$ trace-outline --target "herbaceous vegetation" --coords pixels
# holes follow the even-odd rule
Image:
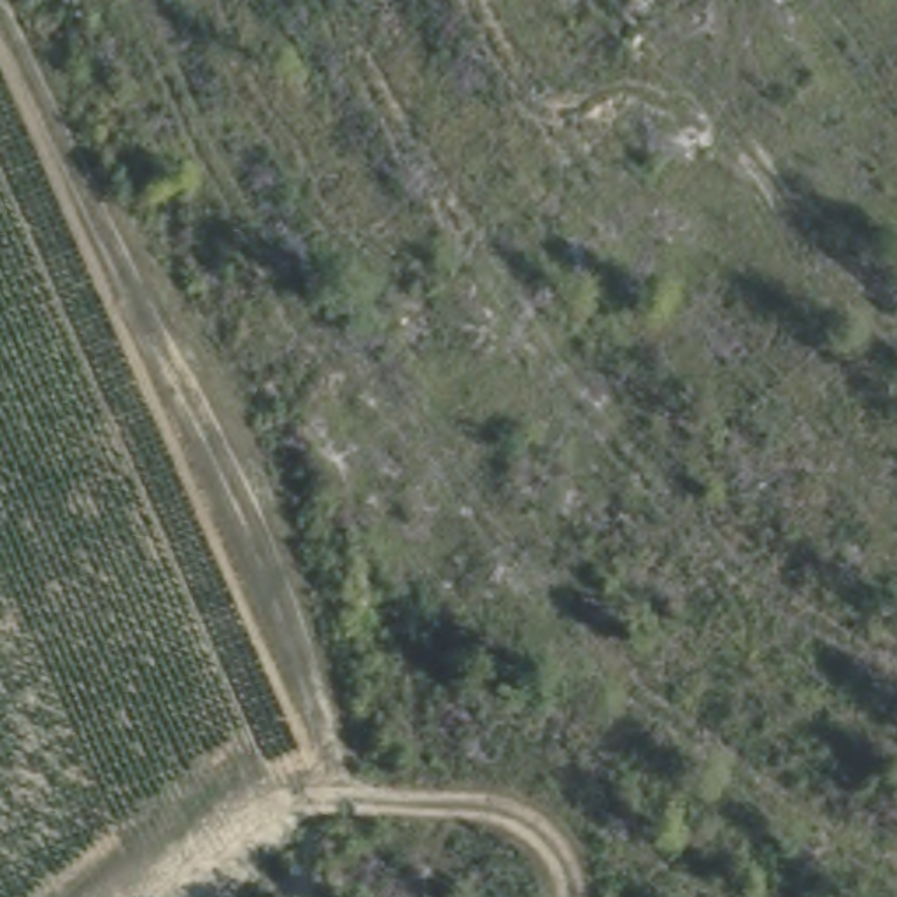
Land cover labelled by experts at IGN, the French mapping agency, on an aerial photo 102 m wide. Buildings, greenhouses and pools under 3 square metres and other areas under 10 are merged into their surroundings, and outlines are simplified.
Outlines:
[[[49,35],[67,18],[84,21],[70,39],[74,67],[49,70],[42,67],[42,56],[49,49]],[[729,277],[729,270],[757,270],[785,284],[788,294],[806,294],[816,305],[837,308],[844,315],[865,305],[865,287],[855,273],[809,249],[781,217],[778,200],[760,200],[750,179],[736,175],[739,154],[746,154],[753,168],[764,172],[771,182],[778,172],[795,172],[813,182],[820,196],[862,207],[872,224],[890,228],[897,221],[897,0],[0,0],[0,74],[28,126],[28,137],[39,151],[63,221],[81,249],[81,259],[116,329],[133,382],[161,431],[161,441],[172,456],[172,466],[207,540],[221,533],[291,697],[301,694],[298,680],[308,680],[308,673],[319,669],[326,673],[322,652],[312,634],[312,620],[301,603],[305,578],[298,575],[284,547],[287,522],[280,519],[277,487],[270,484],[263,470],[266,459],[245,427],[245,399],[238,396],[235,382],[235,375],[245,368],[263,368],[270,361],[298,354],[294,364],[305,371],[312,364],[319,375],[343,371],[343,406],[326,417],[336,449],[350,441],[357,445],[357,456],[347,459],[347,470],[354,473],[354,491],[343,498],[347,512],[340,515],[340,522],[347,526],[350,557],[364,557],[368,571],[382,568],[382,575],[392,582],[399,596],[406,596],[406,582],[427,578],[449,547],[456,547],[459,540],[473,540],[491,564],[512,564],[526,578],[529,592],[519,596],[519,603],[529,613],[526,624],[547,627],[557,617],[550,589],[571,578],[568,571],[550,568],[550,547],[557,529],[568,522],[603,529],[606,498],[624,494],[620,522],[634,536],[638,557],[613,561],[617,571],[610,571],[610,578],[603,582],[606,596],[617,596],[627,582],[638,582],[659,589],[669,599],[669,606],[676,599],[690,606],[690,620],[683,624],[676,641],[655,645],[645,655],[634,648],[631,638],[617,641],[627,662],[641,673],[638,683],[627,683],[620,690],[624,718],[638,718],[655,743],[676,746],[687,757],[687,771],[697,778],[704,778],[715,753],[729,753],[732,767],[722,799],[753,806],[767,820],[774,837],[781,837],[792,823],[809,823],[823,809],[823,802],[809,792],[809,781],[795,781],[792,788],[778,785],[785,771],[806,767],[802,757],[788,757],[767,767],[767,753],[760,750],[778,732],[809,722],[823,708],[830,680],[816,666],[816,641],[858,662],[879,666],[886,676],[897,676],[897,424],[869,427],[862,399],[848,389],[844,375],[834,364],[823,364],[813,347],[802,347],[788,333],[781,333],[778,322],[760,322],[746,308],[746,301],[725,308],[722,280]],[[154,273],[140,273],[133,249],[144,249],[144,235],[137,221],[126,210],[116,210],[112,203],[98,200],[84,186],[84,179],[67,165],[74,147],[95,147],[102,154],[102,165],[116,161],[116,154],[126,147],[144,147],[154,154],[161,182],[182,175],[182,168],[196,161],[196,193],[217,200],[221,217],[242,217],[259,238],[280,238],[298,256],[329,252],[336,259],[340,284],[350,298],[350,326],[322,329],[312,322],[298,294],[270,291],[245,301],[231,343],[210,347],[217,322],[182,305],[165,266],[158,266]],[[585,319],[585,329],[578,333],[585,347],[578,357],[571,357],[568,340],[561,333],[550,333],[550,326],[536,319],[536,308],[554,305],[554,294],[540,287],[543,270],[526,256],[543,238],[564,238],[578,249],[592,249],[596,256],[620,263],[634,277],[652,277],[659,284],[655,301],[617,315],[596,308]],[[610,350],[617,343],[652,343],[659,364],[683,382],[687,399],[697,406],[690,441],[673,438],[666,413],[655,413],[655,441],[641,441],[641,449],[634,449],[617,406],[610,403],[606,378],[592,368],[596,350]],[[512,417],[519,431],[508,441],[508,487],[491,494],[484,487],[480,441],[466,438],[452,424],[456,417],[487,420],[498,413]],[[855,564],[862,578],[879,571],[890,575],[893,596],[886,606],[872,613],[869,631],[848,631],[841,624],[841,599],[823,582],[816,582],[813,571],[802,575],[799,589],[781,582],[785,561],[771,550],[774,519],[785,522],[788,540],[809,540],[809,547],[820,557],[848,557],[848,564]]]
[[[140,799],[137,813],[109,827],[119,837],[116,851],[109,851],[98,865],[91,865],[81,879],[74,879],[63,893],[53,897],[186,897],[193,883],[210,883],[214,872],[228,872],[238,855],[287,841],[294,823],[301,820],[291,809],[291,792],[266,792],[249,802],[242,799],[242,792],[259,785],[270,760],[259,743],[235,753],[221,767],[210,767],[207,757],[196,757],[179,781],[165,785],[151,799]]]

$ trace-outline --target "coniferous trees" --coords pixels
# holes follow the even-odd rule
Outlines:
[[[512,417],[498,413],[487,420],[456,417],[452,424],[466,438],[480,441],[484,487],[491,494],[508,487],[508,441],[519,431]]]
[[[858,662],[816,641],[816,666],[830,680],[823,708],[809,722],[778,732],[760,750],[767,753],[767,767],[788,757],[802,757],[806,767],[785,771],[778,785],[792,788],[795,781],[809,781],[809,792],[823,802],[823,809],[809,823],[792,823],[781,837],[774,837],[767,820],[753,806],[722,799],[732,767],[729,753],[715,753],[704,778],[697,778],[687,771],[687,757],[676,746],[655,743],[638,718],[624,718],[620,690],[627,683],[638,683],[641,673],[627,662],[617,641],[631,638],[634,648],[645,655],[655,645],[676,641],[683,624],[690,620],[690,606],[676,599],[669,606],[669,599],[659,589],[638,582],[627,582],[617,596],[606,596],[603,582],[610,578],[610,571],[617,571],[613,561],[638,557],[634,536],[620,522],[624,494],[606,498],[603,529],[568,522],[557,529],[550,547],[550,568],[568,571],[571,578],[550,589],[557,617],[547,627],[526,624],[529,613],[519,603],[519,596],[529,592],[526,578],[512,564],[491,564],[473,540],[459,540],[456,547],[449,547],[427,578],[406,582],[406,596],[399,596],[392,582],[382,575],[382,568],[368,571],[364,557],[350,557],[347,526],[340,522],[340,515],[347,512],[343,498],[354,491],[354,473],[347,470],[347,459],[357,456],[357,445],[350,441],[336,449],[326,417],[343,406],[343,371],[319,375],[312,364],[305,371],[294,364],[298,354],[270,361],[263,368],[245,368],[235,375],[235,382],[238,396],[245,399],[245,427],[266,459],[263,470],[270,484],[277,487],[280,519],[287,522],[284,547],[298,575],[305,578],[301,603],[312,620],[312,634],[322,652],[326,673],[329,697],[336,708],[336,729],[347,746],[343,767],[354,778],[389,788],[501,792],[529,802],[550,823],[557,823],[575,844],[585,872],[585,897],[897,897],[897,676],[886,676],[879,666]]]
[[[526,256],[543,270],[540,287],[554,294],[554,305],[536,308],[536,319],[550,326],[550,333],[561,333],[568,340],[571,357],[578,357],[585,347],[578,333],[585,329],[585,319],[596,308],[617,315],[655,301],[659,284],[652,277],[634,277],[620,263],[596,256],[592,249],[578,249],[564,238],[543,238]]]
[[[294,823],[287,841],[238,855],[228,872],[214,872],[210,883],[193,883],[186,897],[554,897],[547,865],[519,837],[487,823],[364,816],[354,813],[350,799],[340,799],[333,813],[301,820]]]
[[[788,540],[785,522],[774,519],[771,550],[785,561],[781,582],[799,589],[802,575],[813,571],[816,582],[823,582],[841,599],[841,624],[848,631],[869,631],[872,613],[886,606],[893,596],[890,575],[879,571],[862,578],[855,564],[848,564],[848,557],[820,557],[809,547],[809,540]]]
[[[760,322],[778,322],[781,333],[788,333],[802,347],[813,347],[823,364],[834,364],[844,375],[848,389],[862,399],[869,427],[897,424],[897,221],[890,228],[872,224],[862,207],[820,196],[813,182],[795,172],[778,172],[771,182],[764,172],[753,168],[746,154],[739,154],[736,175],[750,179],[760,200],[778,200],[781,217],[809,249],[855,273],[865,287],[865,305],[844,315],[837,308],[816,305],[806,294],[788,294],[785,284],[757,270],[729,270],[729,277],[722,280],[725,308],[746,301],[746,308]]]
[[[116,210],[126,210],[137,221],[144,235],[144,249],[133,249],[140,273],[154,273],[158,266],[165,266],[182,305],[217,322],[210,347],[231,343],[245,301],[270,291],[298,294],[312,322],[322,329],[350,326],[350,298],[340,284],[336,259],[329,252],[298,256],[280,238],[259,238],[242,217],[221,217],[217,200],[196,193],[196,161],[182,168],[182,175],[161,182],[154,154],[144,147],[126,147],[116,154],[116,161],[102,165],[102,154],[95,147],[74,147],[67,165],[84,179],[84,186],[98,200],[112,203]]]
[[[610,403],[617,406],[634,449],[641,449],[641,441],[655,441],[655,413],[666,413],[673,438],[690,441],[697,406],[687,399],[683,382],[659,364],[652,343],[617,343],[610,350],[596,350],[592,368],[606,378]]]
[[[70,39],[84,21],[67,18],[49,35],[49,49],[42,56],[42,67],[49,70],[74,67]]]

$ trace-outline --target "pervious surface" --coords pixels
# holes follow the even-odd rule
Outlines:
[[[308,673],[308,680],[298,680],[301,694],[291,697],[221,533],[207,540],[221,568],[221,578],[231,592],[231,603],[238,610],[238,620],[266,673],[266,683],[280,704],[280,715],[294,736],[294,750],[270,760],[259,785],[242,792],[242,799],[249,802],[266,792],[291,792],[291,809],[301,820],[333,813],[340,799],[350,799],[354,813],[364,816],[487,823],[519,837],[547,865],[554,897],[585,897],[585,872],[575,844],[557,823],[550,823],[529,802],[501,792],[389,788],[354,778],[343,767],[347,746],[336,729],[336,708],[329,697],[326,673],[319,669]]]

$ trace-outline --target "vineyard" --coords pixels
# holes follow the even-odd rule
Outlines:
[[[280,715],[280,704],[266,683],[266,673],[238,620],[238,610],[231,603],[231,592],[221,578],[221,568],[207,540],[172,466],[172,456],[161,441],[161,431],[133,382],[116,329],[81,259],[81,249],[63,221],[39,151],[28,137],[28,126],[0,74],[0,897],[53,897],[63,893],[74,879],[81,879],[91,865],[98,865],[109,851],[116,851],[119,837],[109,827],[137,813],[140,799],[151,799],[165,785],[179,781],[196,757],[207,757],[210,767],[221,767],[235,753],[259,743],[270,760],[294,750],[294,736]]]

